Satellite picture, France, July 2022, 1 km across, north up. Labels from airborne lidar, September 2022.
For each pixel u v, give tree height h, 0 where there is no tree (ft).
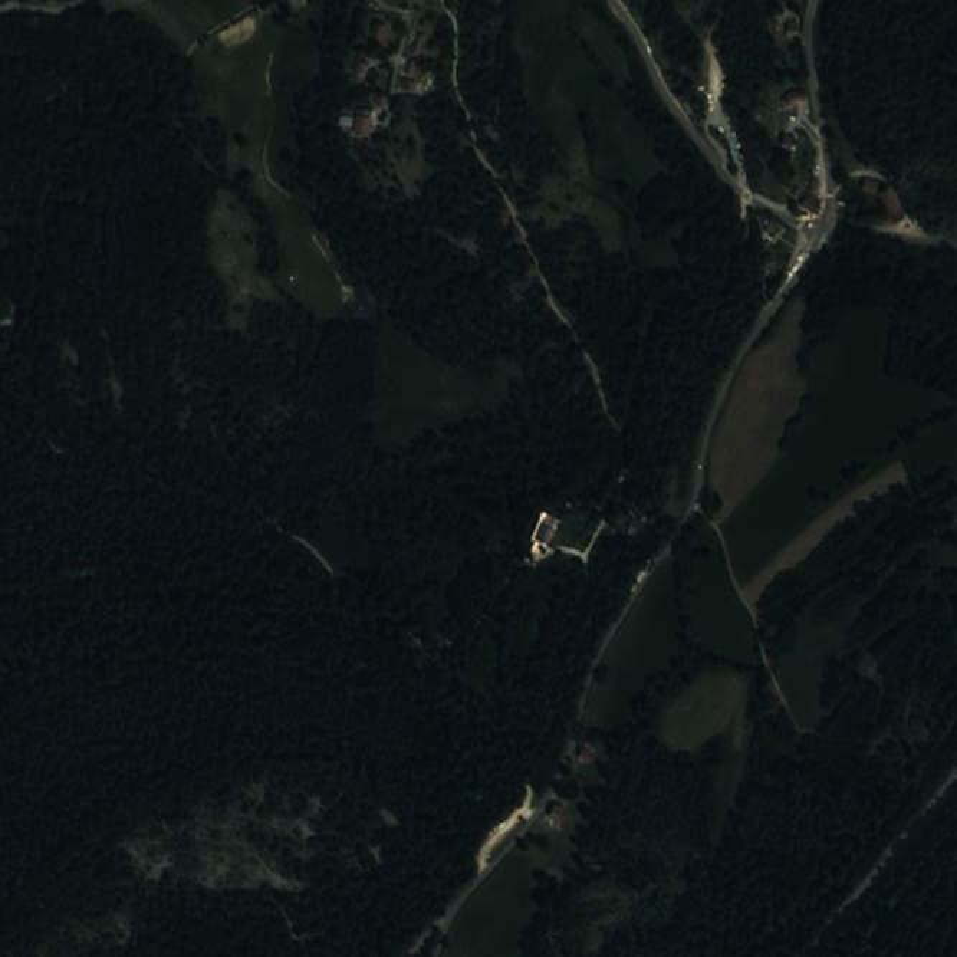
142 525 79
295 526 31
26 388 32
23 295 60
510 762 74
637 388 45
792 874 78
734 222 72
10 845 104
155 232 60
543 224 19
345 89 34
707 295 99
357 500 45
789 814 96
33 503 75
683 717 0
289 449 30
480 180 26
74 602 58
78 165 82
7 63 35
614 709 0
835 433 0
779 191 0
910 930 56
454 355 93
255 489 80
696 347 30
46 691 63
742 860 76
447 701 76
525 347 48
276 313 31
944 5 37
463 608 99
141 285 62
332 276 0
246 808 31
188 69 55
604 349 37
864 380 0
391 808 53
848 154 0
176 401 33
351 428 67
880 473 0
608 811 80
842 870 84
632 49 21
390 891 51
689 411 60
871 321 0
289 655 29
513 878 0
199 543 97
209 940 38
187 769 70
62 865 32
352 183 40
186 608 99
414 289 67
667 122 55
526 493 76
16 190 55
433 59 22
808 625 0
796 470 0
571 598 66
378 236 72
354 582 27
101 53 45
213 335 23
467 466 74
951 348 51
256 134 0
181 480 78
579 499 26
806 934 97
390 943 34
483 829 21
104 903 29
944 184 28
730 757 0
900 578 29
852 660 23
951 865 94
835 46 58
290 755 52
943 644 75
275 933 25
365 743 110
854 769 46
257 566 90
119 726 60
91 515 78
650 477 36
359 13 48
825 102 56
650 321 24
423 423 0
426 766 72
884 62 41
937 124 60
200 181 31
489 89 41
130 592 73
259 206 45
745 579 0
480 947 0
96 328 26
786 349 0
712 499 50
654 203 98
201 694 33
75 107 54
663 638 0
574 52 0
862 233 62
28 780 60
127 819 27
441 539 30
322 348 54
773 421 0
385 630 81
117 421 28
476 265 43
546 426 95
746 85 21
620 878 47
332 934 82
